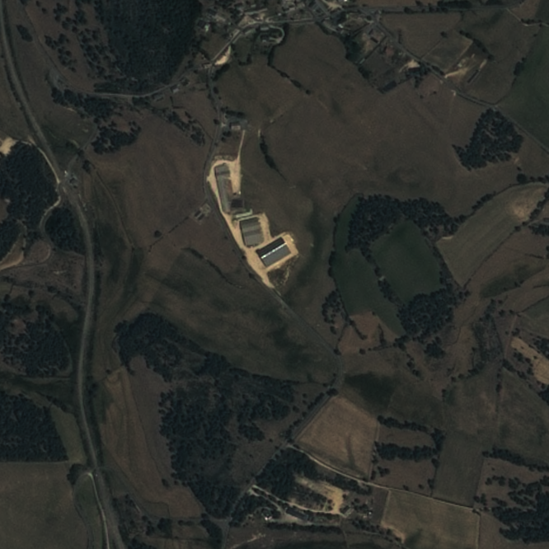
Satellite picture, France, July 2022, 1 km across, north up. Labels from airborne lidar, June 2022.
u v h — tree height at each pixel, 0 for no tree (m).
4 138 0
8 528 0
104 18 14
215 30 11
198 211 0
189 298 0
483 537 0
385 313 0
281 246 0
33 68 0
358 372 0
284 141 0
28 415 21
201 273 0
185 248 0
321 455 0
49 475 0
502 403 0
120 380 0
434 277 0
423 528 0
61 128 0
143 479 0
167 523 15
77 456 0
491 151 12
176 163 0
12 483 0
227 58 0
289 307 0
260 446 0
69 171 0
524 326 0
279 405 14
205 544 0
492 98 0
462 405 0
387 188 0
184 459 14
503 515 10
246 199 0
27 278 0
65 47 6
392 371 0
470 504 0
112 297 0
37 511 0
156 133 0
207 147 0
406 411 0
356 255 0
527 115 0
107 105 21
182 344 15
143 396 0
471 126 0
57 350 19
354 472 0
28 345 14
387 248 0
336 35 5
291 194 0
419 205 17
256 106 0
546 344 10
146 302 0
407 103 0
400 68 0
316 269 0
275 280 0
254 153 0
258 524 0
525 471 0
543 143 0
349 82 0
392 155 0
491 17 0
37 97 0
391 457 9
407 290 0
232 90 0
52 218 6
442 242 0
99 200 0
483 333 0
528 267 0
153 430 0
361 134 0
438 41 0
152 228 0
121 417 0
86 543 0
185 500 0
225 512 14
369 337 0
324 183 0
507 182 0
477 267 0
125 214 0
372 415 0
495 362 0
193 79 0
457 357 0
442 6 13
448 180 0
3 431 15
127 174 0
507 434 0
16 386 0
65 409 21
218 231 0
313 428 0
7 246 16
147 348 16
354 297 0
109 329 0
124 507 0
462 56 0
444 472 0
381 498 0
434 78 0
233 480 0
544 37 0
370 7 0
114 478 0
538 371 0
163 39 16
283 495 9
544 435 0
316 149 0
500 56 0
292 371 0
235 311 0
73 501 0
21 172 15
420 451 14
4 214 0
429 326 18
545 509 18
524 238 0
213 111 0
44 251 0
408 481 0
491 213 0
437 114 0
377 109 0
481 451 0
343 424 0
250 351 0
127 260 0
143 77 10
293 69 0
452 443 0
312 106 0
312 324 0
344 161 0
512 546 0
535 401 0
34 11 0
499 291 0
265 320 0
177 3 14
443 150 0
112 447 0
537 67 0
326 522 0
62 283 0
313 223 0
